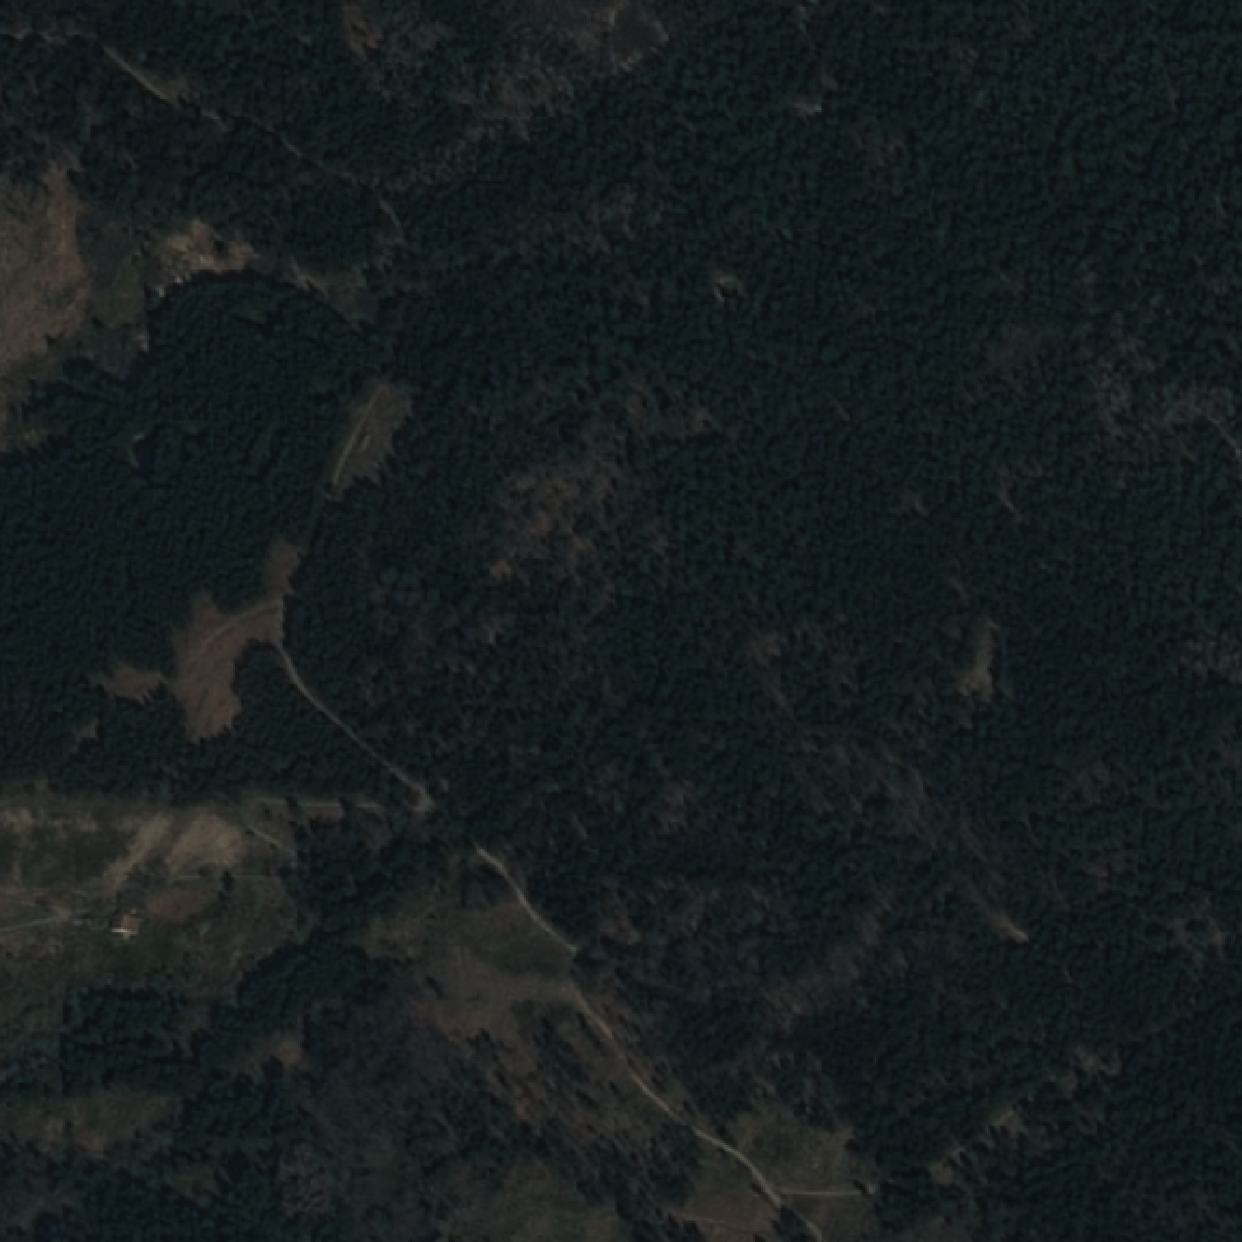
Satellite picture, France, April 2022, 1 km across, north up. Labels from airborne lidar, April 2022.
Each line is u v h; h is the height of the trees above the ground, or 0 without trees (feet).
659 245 50
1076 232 73
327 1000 80
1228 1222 56
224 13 26
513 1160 21
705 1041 75
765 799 68
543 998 0
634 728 70
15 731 64
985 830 66
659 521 69
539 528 67
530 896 36
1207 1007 73
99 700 74
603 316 122
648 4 40
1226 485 88
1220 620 76
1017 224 69
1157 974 77
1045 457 54
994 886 67
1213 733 60
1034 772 72
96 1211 90
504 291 62
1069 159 66
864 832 43
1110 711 55
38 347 0
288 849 0
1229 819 52
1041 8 60
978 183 79
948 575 61
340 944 93
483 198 71
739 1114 76
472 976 0
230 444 80
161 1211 84
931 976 46
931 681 42
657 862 64
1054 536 36
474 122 65
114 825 0
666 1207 72
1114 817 45
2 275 0
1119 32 56
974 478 54
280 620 0
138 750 76
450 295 46
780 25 82
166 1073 70
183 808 59
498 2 43
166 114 90
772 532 59
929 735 66
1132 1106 65
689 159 39
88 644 86
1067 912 60
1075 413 73
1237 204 76
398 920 103
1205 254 105
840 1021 75
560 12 31
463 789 81
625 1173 79
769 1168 0
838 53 58
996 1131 0
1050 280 62
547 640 41
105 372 35
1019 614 57
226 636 0
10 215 0
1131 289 88
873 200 44
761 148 58
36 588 80
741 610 66
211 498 63
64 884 0
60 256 0
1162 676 75
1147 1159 63
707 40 59
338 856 75
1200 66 79
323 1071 66
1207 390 72
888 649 64
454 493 39
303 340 72
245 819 0
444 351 57
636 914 76
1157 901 53
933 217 48
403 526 39
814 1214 0
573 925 65
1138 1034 62
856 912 83
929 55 35
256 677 65
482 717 38
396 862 59
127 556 91
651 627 66
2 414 0
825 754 69
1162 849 66
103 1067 95
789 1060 76
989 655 0
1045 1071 75
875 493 54
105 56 80
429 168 74
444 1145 75
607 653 74
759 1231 0
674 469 59
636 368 47
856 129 76
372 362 74
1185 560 79
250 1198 114
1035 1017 61
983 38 43
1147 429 64
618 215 82
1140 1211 72
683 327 65
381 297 52
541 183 89
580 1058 67
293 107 61
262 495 98
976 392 45
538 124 51
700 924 82
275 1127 121
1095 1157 74
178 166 65
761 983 78
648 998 66
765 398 73
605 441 54
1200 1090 59
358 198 69
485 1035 0
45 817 0
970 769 66
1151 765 53
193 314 59
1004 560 51
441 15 58
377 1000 78
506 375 67
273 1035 75
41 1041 47
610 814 35
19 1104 95
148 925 0
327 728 74
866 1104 69
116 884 0
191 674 0
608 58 42
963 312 75
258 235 76
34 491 85
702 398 70
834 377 77
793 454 65
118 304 0
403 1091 87
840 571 51
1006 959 71
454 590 53
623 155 63
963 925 74
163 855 0
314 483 79
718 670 68
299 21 82
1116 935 67
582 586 49
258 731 66
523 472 26
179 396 75
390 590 74
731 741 72
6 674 80
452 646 22
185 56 68
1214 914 62
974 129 81
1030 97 90
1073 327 64
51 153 42
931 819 77
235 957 0
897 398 69
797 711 52
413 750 70
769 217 54
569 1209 0
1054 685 61
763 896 80
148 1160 70
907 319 94
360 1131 95
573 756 31
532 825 54
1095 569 52
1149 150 88
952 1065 71
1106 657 51
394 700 60
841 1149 0
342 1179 48
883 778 45
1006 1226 75
